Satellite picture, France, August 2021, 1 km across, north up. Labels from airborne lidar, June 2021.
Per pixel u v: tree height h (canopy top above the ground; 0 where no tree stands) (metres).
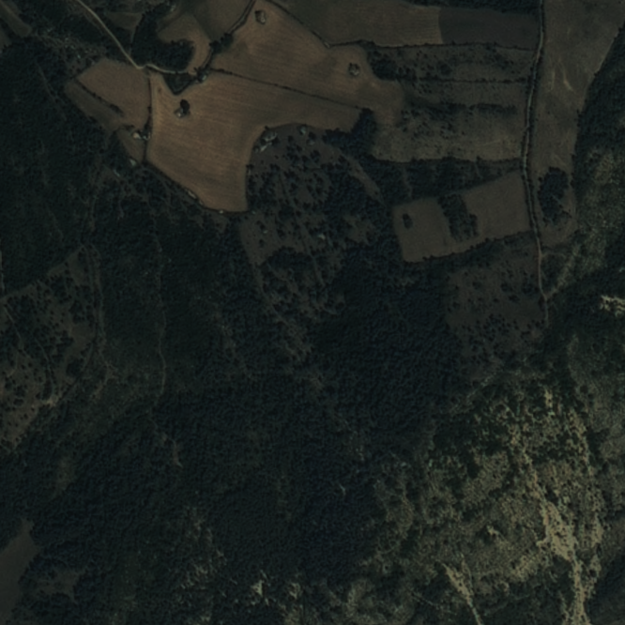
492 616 7
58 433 7
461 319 0
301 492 17
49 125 6
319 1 0
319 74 0
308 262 14
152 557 6
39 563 14
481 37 0
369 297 20
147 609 9
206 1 0
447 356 8
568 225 0
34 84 6
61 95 9
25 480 6
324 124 0
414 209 0
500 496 6
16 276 6
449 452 7
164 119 0
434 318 18
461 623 7
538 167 0
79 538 9
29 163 9
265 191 7
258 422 12
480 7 7
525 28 0
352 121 0
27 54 10
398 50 6
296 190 12
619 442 7
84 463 9
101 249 6
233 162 0
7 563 0
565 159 0
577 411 8
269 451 15
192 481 9
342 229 14
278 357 11
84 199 8
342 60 0
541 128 0
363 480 12
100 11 12
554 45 0
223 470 9
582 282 9
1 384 0
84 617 11
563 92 0
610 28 0
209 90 0
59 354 8
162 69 0
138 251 6
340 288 11
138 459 8
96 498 6
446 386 11
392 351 8
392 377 12
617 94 14
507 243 7
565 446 6
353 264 13
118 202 12
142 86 0
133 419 8
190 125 0
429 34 0
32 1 7
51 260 11
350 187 13
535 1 8
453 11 0
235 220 6
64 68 9
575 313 9
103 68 0
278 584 15
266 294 6
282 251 7
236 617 9
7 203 6
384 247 14
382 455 12
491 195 0
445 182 9
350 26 0
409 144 0
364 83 0
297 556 14
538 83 8
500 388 10
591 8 0
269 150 0
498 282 0
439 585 10
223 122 0
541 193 8
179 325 8
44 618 7
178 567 13
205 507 10
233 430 15
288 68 0
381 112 0
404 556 6
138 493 10
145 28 8
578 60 0
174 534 6
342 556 13
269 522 15
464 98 0
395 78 7
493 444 8
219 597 11
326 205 8
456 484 6
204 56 0
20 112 6
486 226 0
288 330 5
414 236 0
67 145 6
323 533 13
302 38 0
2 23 9
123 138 0
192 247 6
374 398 11
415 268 7
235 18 0
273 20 0
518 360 7
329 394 10
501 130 0
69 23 6
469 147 0
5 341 6
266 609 14
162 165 0
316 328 10
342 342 6
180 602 7
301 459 24
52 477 13
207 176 0
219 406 12
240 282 9
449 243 0
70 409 11
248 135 0
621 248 7
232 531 16
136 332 6
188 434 13
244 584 15
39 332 8
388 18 0
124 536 9
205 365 12
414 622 10
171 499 8
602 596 11
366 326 7
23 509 12
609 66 8
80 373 6
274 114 0
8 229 7
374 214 19
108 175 0
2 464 9
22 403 7
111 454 16
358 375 11
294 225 6
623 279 7
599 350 6
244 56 0
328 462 15
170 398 11
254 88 0
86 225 6
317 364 15
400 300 18
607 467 9
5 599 0
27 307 7
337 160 0
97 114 0
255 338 20
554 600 10
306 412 15
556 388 6
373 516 6
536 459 6
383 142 0
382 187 14
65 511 10
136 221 6
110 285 9
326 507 15
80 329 0
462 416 7
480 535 7
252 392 17
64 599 13
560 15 0
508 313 0
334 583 10
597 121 10
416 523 7
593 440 8
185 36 0
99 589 13
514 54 0
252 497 17
